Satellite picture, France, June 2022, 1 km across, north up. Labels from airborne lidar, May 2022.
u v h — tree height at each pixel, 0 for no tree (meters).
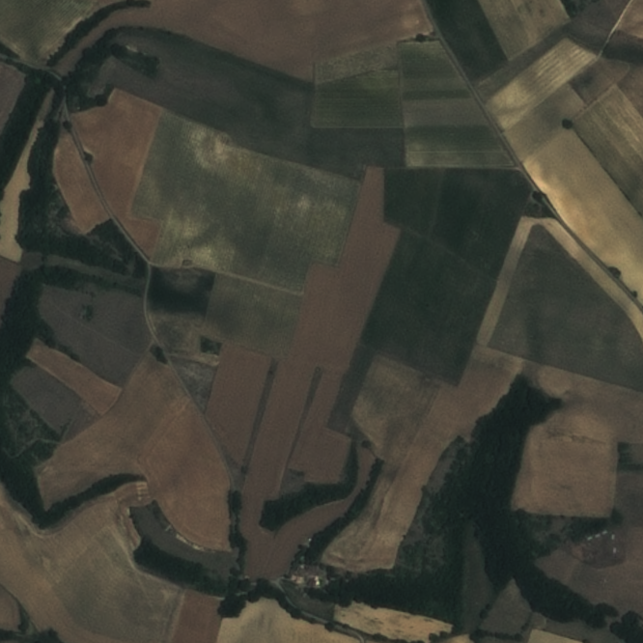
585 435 0
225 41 0
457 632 13
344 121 0
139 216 0
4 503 0
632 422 0
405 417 0
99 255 8
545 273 0
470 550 0
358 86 0
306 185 0
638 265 0
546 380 0
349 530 0
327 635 0
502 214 0
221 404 0
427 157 0
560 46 0
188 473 0
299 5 0
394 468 0
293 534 0
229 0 0
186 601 0
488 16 0
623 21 0
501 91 0
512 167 0
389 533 0
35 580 0
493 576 13
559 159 0
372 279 0
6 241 0
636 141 0
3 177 11
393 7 0
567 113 0
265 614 0
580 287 0
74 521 0
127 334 0
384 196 0
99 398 0
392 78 0
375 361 0
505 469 13
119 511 0
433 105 0
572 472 0
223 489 0
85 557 0
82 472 0
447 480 8
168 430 0
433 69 0
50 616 0
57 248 14
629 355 0
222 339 0
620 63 0
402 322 0
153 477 0
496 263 0
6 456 12
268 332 0
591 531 8
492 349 0
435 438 0
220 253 0
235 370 0
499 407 11
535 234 0
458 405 0
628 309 0
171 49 0
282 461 0
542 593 20
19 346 14
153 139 0
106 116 0
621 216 0
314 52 0
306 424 0
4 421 6
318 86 0
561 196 0
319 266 0
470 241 0
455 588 9
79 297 0
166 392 0
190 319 0
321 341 0
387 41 0
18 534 0
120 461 0
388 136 0
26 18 0
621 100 0
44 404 0
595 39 0
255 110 0
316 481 0
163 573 16
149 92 0
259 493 0
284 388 0
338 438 0
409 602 12
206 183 0
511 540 16
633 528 0
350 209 0
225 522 0
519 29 0
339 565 0
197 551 0
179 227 0
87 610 0
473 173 0
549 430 0
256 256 0
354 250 0
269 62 0
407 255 0
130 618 0
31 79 9
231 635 0
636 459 0
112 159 0
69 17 0
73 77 13
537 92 0
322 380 0
